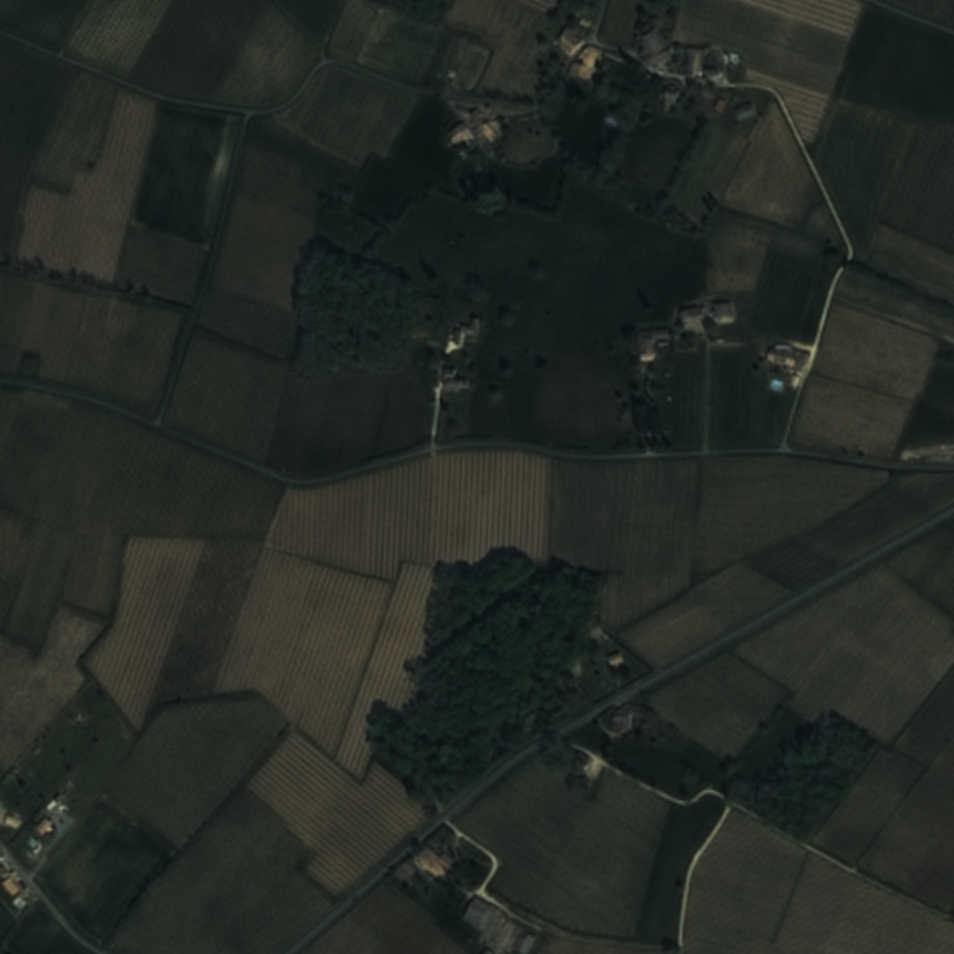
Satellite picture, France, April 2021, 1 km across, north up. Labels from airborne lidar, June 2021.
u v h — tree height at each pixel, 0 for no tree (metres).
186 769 0
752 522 0
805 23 0
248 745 0
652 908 0
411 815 0
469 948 0
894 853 0
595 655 17
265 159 0
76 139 0
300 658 0
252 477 0
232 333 0
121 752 0
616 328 0
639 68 10
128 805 0
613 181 13
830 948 0
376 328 22
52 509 0
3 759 0
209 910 0
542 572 7
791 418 0
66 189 0
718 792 0
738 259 0
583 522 0
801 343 0
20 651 0
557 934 0
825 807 20
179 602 0
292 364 7
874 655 0
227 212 0
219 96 0
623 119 18
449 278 0
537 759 0
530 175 0
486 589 22
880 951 0
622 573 0
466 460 0
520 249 0
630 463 0
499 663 24
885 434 0
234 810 0
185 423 0
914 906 0
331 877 0
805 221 0
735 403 0
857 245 0
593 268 0
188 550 0
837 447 0
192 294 0
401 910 0
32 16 0
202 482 0
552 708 16
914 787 0
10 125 0
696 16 0
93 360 0
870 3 0
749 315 0
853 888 0
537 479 0
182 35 0
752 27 0
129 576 0
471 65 0
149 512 0
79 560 0
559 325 0
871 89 0
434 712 23
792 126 0
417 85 0
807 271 0
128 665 0
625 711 0
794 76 0
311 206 0
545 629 25
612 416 0
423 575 0
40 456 0
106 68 0
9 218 0
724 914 0
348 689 0
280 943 0
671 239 0
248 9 0
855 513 0
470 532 0
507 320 14
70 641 0
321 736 0
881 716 0
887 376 0
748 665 0
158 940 0
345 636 0
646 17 9
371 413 0
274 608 0
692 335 8
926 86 0
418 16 20
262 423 0
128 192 0
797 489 0
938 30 0
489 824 0
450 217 0
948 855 0
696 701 0
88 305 0
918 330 0
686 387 0
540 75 8
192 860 0
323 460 0
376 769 0
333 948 0
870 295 0
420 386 0
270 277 0
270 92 0
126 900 0
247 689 0
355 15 0
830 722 14
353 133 0
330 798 0
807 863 0
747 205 0
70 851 0
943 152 0
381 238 6
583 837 0
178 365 0
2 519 0
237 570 0
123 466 0
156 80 0
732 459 0
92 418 0
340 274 27
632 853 0
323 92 0
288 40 0
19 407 0
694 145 11
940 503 0
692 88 13
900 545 0
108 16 0
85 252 0
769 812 19
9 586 0
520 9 0
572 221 0
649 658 0
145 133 0
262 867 0
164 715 0
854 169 0
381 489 0
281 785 0
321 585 0
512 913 0
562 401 0
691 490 0
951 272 0
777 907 0
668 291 0
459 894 17
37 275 13
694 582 0
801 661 0
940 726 0
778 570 0
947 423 0
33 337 0
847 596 0
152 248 0
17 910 0
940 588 0
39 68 0
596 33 0
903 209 0
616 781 0
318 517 0
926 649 0
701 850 0
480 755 26
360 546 0
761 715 0
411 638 0
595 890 0
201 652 0
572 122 0
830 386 0
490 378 0
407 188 0
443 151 0
